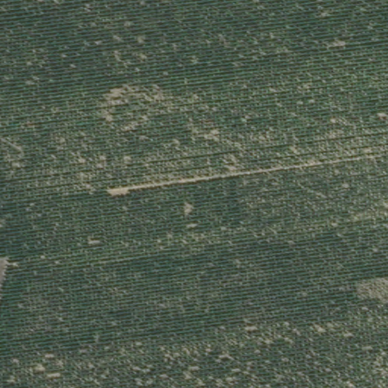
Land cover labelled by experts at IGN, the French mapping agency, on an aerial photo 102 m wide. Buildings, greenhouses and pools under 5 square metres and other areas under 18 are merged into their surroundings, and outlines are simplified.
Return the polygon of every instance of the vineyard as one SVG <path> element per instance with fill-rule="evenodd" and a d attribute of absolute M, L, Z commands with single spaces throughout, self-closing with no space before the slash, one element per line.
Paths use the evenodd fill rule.
<path fill-rule="evenodd" d="M 388 0 L 0 0 L 0 388 L 388 388 Z"/>

